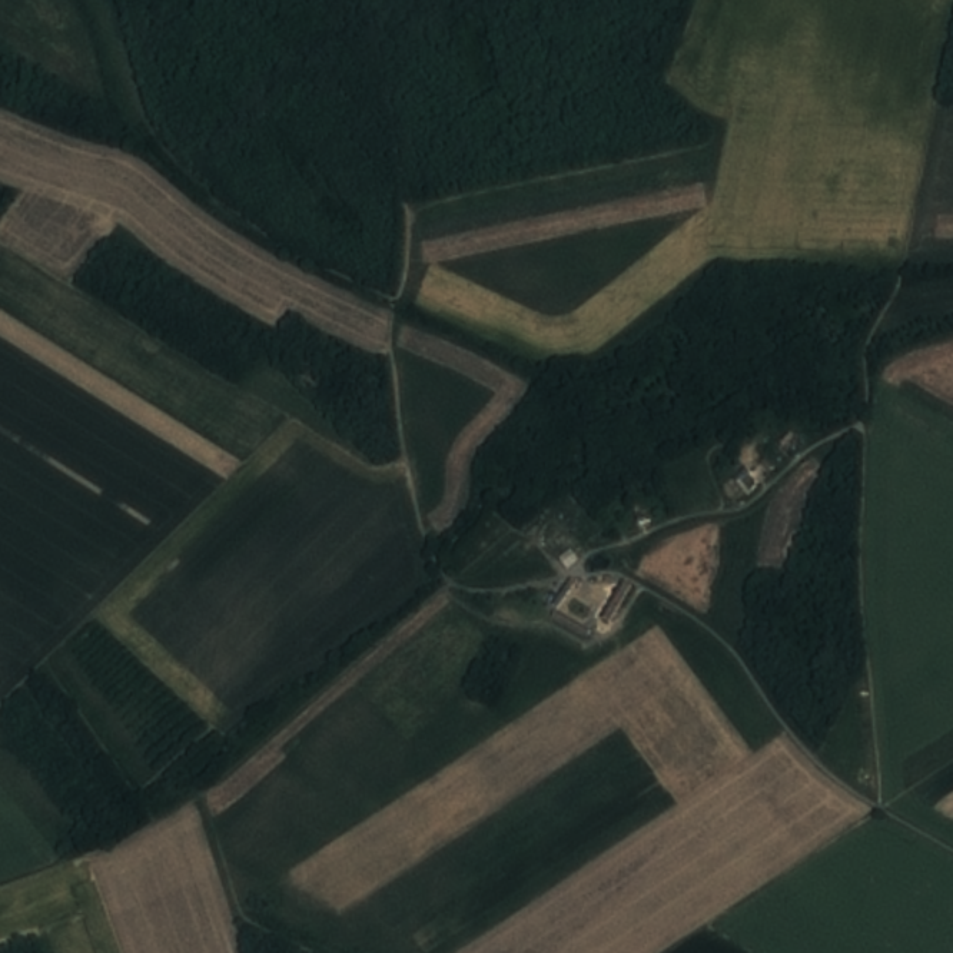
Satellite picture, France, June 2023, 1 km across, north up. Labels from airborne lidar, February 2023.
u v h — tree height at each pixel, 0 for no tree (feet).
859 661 45
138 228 0
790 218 0
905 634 0
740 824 0
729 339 33
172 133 54
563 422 62
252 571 0
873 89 0
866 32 0
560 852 0
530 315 0
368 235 44
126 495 0
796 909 0
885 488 0
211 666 0
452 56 58
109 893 0
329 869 0
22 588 0
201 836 0
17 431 0
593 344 0
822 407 46
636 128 40
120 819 58
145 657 0
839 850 0
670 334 47
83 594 0
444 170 62
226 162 49
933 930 0
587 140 56
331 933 0
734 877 0
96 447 0
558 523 0
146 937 0
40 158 0
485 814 0
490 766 0
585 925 0
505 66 51
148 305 53
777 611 46
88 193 0
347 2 52
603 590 0
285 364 56
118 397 0
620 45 40
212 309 50
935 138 0
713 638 0
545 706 0
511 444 53
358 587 0
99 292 42
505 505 44
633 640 0
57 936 0
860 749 0
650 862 0
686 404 49
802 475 0
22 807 0
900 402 0
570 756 0
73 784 34
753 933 0
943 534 0
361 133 56
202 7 65
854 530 41
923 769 0
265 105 66
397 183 55
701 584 0
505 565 0
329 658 42
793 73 0
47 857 0
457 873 0
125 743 0
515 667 40
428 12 65
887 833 0
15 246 0
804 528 35
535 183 0
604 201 0
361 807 0
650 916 0
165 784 40
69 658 0
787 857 0
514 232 0
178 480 0
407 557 0
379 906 0
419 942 0
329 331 0
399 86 54
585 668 0
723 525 0
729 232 0
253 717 47
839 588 24
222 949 0
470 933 0
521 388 0
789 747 0
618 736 0
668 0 66
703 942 0
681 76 0
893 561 0
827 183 0
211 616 0
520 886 0
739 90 0
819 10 0
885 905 0
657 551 0
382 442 53
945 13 0
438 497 0
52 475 0
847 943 0
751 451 0
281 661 0
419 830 0
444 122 58
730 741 0
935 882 0
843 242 0
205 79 58
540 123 63
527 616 0
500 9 57
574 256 0
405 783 0
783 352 54
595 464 50
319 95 63
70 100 29
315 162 35
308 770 0
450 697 0
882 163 0
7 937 0
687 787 0
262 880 0
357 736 0
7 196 50
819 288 42
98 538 0
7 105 40
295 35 48
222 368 43
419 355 0
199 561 0
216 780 43
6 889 0
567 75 67
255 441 0
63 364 0
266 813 0
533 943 0
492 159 57
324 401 30
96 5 0
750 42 0
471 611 0
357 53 66
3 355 0
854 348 46
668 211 0
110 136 56
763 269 51
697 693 0
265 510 0
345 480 0
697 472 0
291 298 0
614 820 0
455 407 0
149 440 0
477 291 0
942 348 0
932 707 0
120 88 0
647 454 52
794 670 49
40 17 0
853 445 43
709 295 45
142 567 0
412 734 0
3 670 0
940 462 0
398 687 0
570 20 59
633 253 0
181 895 0
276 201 48
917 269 37
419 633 0
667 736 0
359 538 0
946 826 0
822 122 0
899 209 0
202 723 19
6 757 0
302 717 0
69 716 50
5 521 0
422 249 0
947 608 0
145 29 63
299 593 0
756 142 0
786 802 0
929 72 0
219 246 0
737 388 42
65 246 0
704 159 0
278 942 49
